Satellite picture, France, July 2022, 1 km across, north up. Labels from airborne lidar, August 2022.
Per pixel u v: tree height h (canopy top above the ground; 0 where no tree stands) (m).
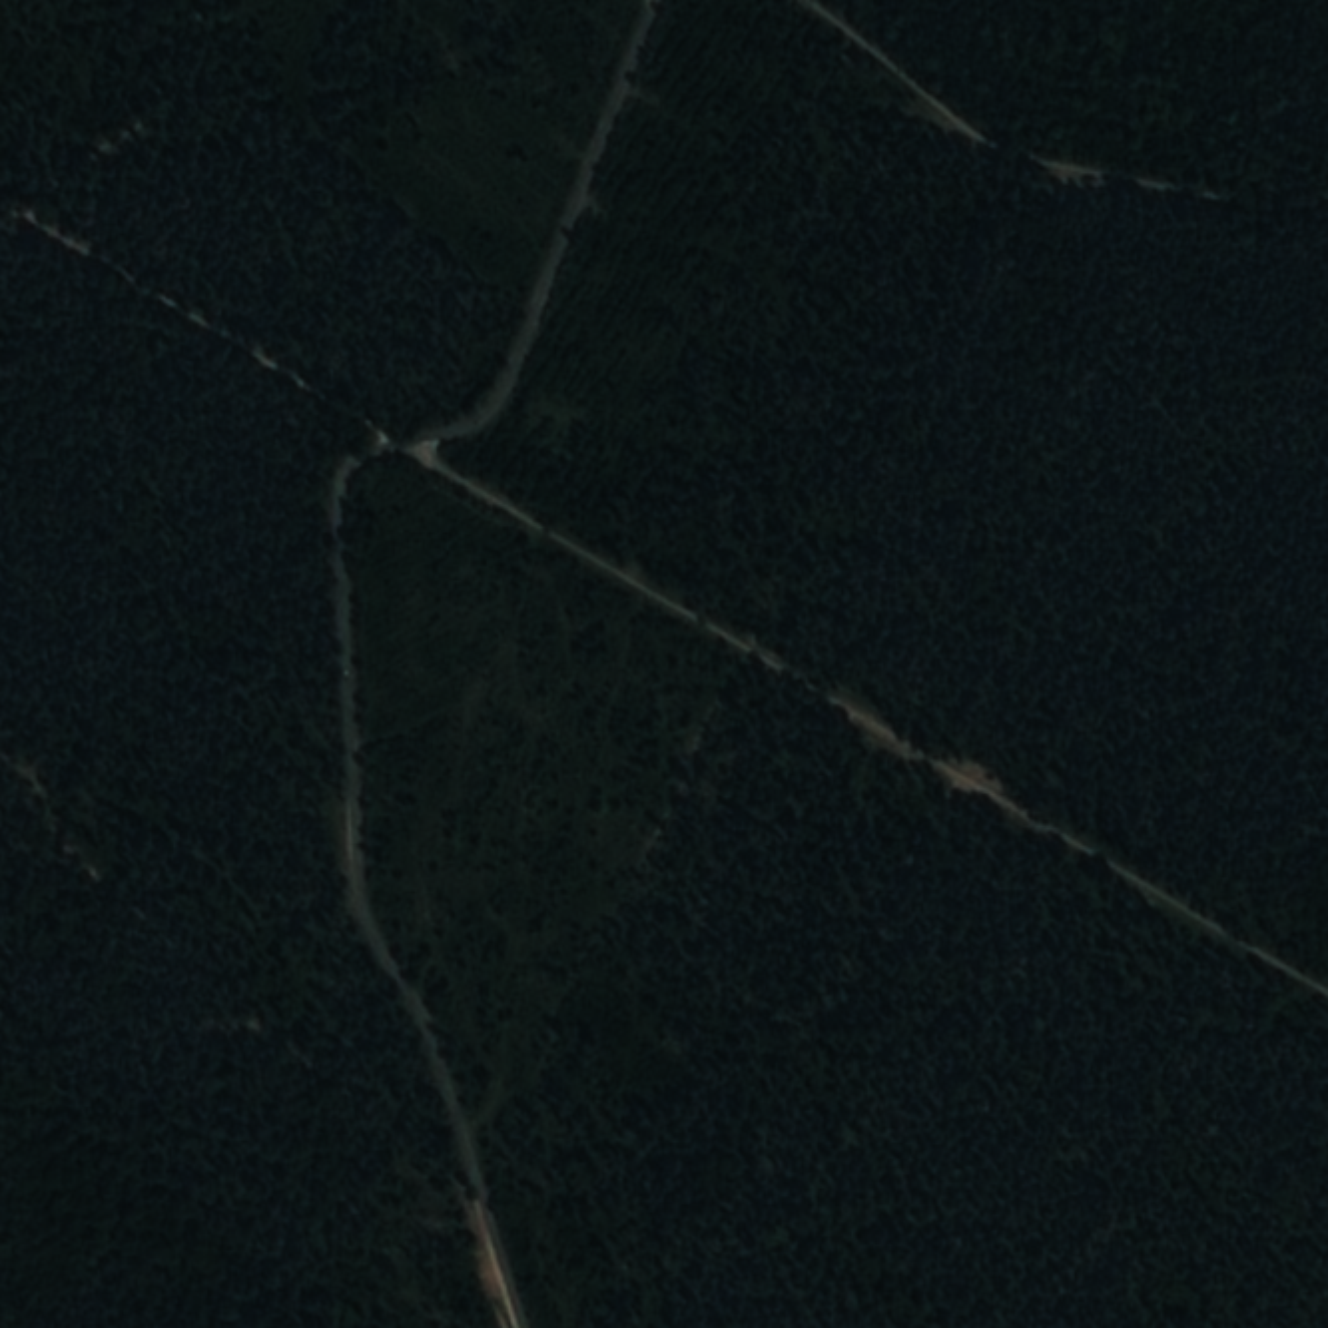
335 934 31
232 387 30
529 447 9
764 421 13
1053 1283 34
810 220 30
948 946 31
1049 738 37
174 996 30
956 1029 32
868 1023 30
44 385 27
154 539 32
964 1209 33
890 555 32
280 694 32
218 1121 12
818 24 14
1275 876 19
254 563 36
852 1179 33
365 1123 22
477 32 22
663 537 8
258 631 33
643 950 27
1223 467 33
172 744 31
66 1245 18
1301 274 27
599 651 12
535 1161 23
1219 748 28
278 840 36
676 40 6
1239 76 11
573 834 11
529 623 6
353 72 12
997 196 7
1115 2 10
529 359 8
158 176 31
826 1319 12
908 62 11
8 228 10
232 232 31
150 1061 34
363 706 15
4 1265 22
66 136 7
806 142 9
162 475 31
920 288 15
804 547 12
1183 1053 32
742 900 30
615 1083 7
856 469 30
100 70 11
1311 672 36
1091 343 29
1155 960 30
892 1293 12
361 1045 31
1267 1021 24
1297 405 27
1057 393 31
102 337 38
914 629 31
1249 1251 22
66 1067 12
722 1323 31
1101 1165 29
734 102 10
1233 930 26
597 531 7
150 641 31
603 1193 29
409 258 27
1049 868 30
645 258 8
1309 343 32
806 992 29
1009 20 11
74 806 13
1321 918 8
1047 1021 33
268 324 31
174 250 34
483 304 36
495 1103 0
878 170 34
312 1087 21
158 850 31
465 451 9
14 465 31
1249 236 28
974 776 0
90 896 20
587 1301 9
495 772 12
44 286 37
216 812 24
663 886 6
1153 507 28
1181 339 26
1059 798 22
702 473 10
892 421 22
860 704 0
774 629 16
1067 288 30
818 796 12
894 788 9
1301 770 22
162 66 6
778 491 27
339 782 8
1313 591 33
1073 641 25
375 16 10
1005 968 9
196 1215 24
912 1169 32
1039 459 23
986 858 33
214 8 24
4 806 25
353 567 15
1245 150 19
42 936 20
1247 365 25
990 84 16
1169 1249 31
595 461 8
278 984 8
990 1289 6
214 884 22
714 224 10
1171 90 8
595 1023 6
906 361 29
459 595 7
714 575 6
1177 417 29
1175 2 7
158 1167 24
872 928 9
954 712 30
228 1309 20
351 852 0
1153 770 6
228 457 34
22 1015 29
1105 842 10
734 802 7
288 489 32
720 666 13
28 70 11
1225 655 30
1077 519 36
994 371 30
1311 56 21
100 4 13
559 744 12
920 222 9
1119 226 28
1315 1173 25
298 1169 24
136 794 29
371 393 29
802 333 10
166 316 32
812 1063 22
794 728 9
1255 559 11
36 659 33
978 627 32
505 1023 6
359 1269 8
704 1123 27
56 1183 18
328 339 29
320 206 26
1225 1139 36
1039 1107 32
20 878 28
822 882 15
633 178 12
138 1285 23
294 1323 23
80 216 7
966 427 35
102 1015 34
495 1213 18
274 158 30
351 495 6
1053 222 28
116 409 30
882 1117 30
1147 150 10
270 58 6
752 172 9
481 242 9
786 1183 10
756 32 10
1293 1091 25
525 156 18
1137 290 30
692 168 7
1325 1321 7
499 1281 0
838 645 10
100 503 26
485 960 9
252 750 36
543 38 7
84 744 10
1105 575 32
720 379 11
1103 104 9
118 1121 22
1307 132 18
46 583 8
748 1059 19
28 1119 22
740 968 30
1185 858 27
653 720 10
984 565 27
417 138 9
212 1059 19
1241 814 36
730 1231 9
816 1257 32
